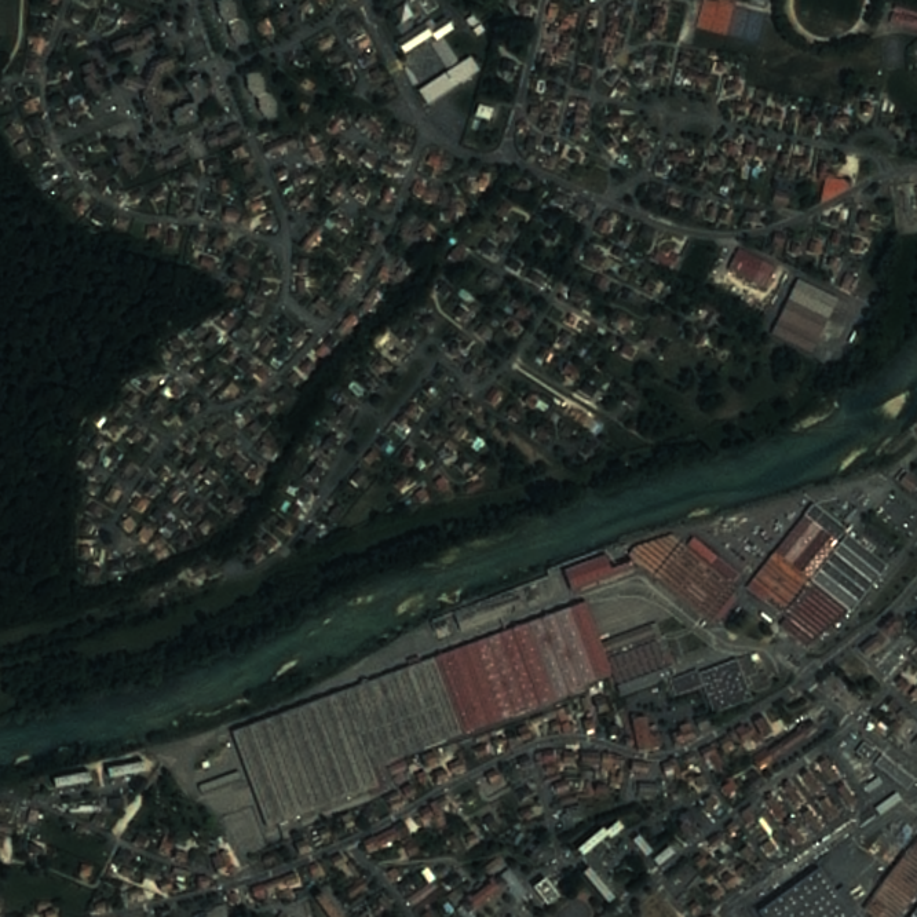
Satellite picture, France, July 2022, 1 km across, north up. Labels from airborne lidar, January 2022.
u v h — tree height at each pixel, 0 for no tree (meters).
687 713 0
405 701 0
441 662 0
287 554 0
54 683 8
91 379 31
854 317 0
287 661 0
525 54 30
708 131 0
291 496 0
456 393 7
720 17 0
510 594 0
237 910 9
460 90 0
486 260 0
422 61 0
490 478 0
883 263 19
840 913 0
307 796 0
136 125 0
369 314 6
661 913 0
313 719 0
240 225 0
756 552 0
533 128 0
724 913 0
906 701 0
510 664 0
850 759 0
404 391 0
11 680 7
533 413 9
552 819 0
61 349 25
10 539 27
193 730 0
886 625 0
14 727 0
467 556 0
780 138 0
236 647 25
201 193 0
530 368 0
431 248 14
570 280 19
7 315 25
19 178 8
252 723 0
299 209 0
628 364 0
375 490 0
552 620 0
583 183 0
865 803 0
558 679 0
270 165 0
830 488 0
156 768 0
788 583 0
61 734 0
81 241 13
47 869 14
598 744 0
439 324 0
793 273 0
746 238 10
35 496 26
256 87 0
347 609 0
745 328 17
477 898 0
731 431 21
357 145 0
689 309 17
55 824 0
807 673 0
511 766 10
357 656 0
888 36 0
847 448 0
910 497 0
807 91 0
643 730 0
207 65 0
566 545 0
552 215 26
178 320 25
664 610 0
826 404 0
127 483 0
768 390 0
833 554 0
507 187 9
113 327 27
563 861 0
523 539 0
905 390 0
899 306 0
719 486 0
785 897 0
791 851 0
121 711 0
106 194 0
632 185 0
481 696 0
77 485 8
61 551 23
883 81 0
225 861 0
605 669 0
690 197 7
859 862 0
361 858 0
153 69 0
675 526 0
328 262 6
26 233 19
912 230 0
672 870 8
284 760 0
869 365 12
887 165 0
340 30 0
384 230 12
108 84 7
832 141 0
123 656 12
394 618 0
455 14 0
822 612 0
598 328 0
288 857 8
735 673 0
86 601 22
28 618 12
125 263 26
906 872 0
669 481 0
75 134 9
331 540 9
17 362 21
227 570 0
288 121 0
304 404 7
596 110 6
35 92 9
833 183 0
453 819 20
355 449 10
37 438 30
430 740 0
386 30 0
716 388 18
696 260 0
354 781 0
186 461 9
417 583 0
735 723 0
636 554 0
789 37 16
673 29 0
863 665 0
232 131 0
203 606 0
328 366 18
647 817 9
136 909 0
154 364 19
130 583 13
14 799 0
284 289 0
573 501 19
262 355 6
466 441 0
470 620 0
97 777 0
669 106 0
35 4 12
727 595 0
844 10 0
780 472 0
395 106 0
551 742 0
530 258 13
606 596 0
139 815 0
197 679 0
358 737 0
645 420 9
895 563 0
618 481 19
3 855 0
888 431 0
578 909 0
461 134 0
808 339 0
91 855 0
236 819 0
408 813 0
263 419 7
